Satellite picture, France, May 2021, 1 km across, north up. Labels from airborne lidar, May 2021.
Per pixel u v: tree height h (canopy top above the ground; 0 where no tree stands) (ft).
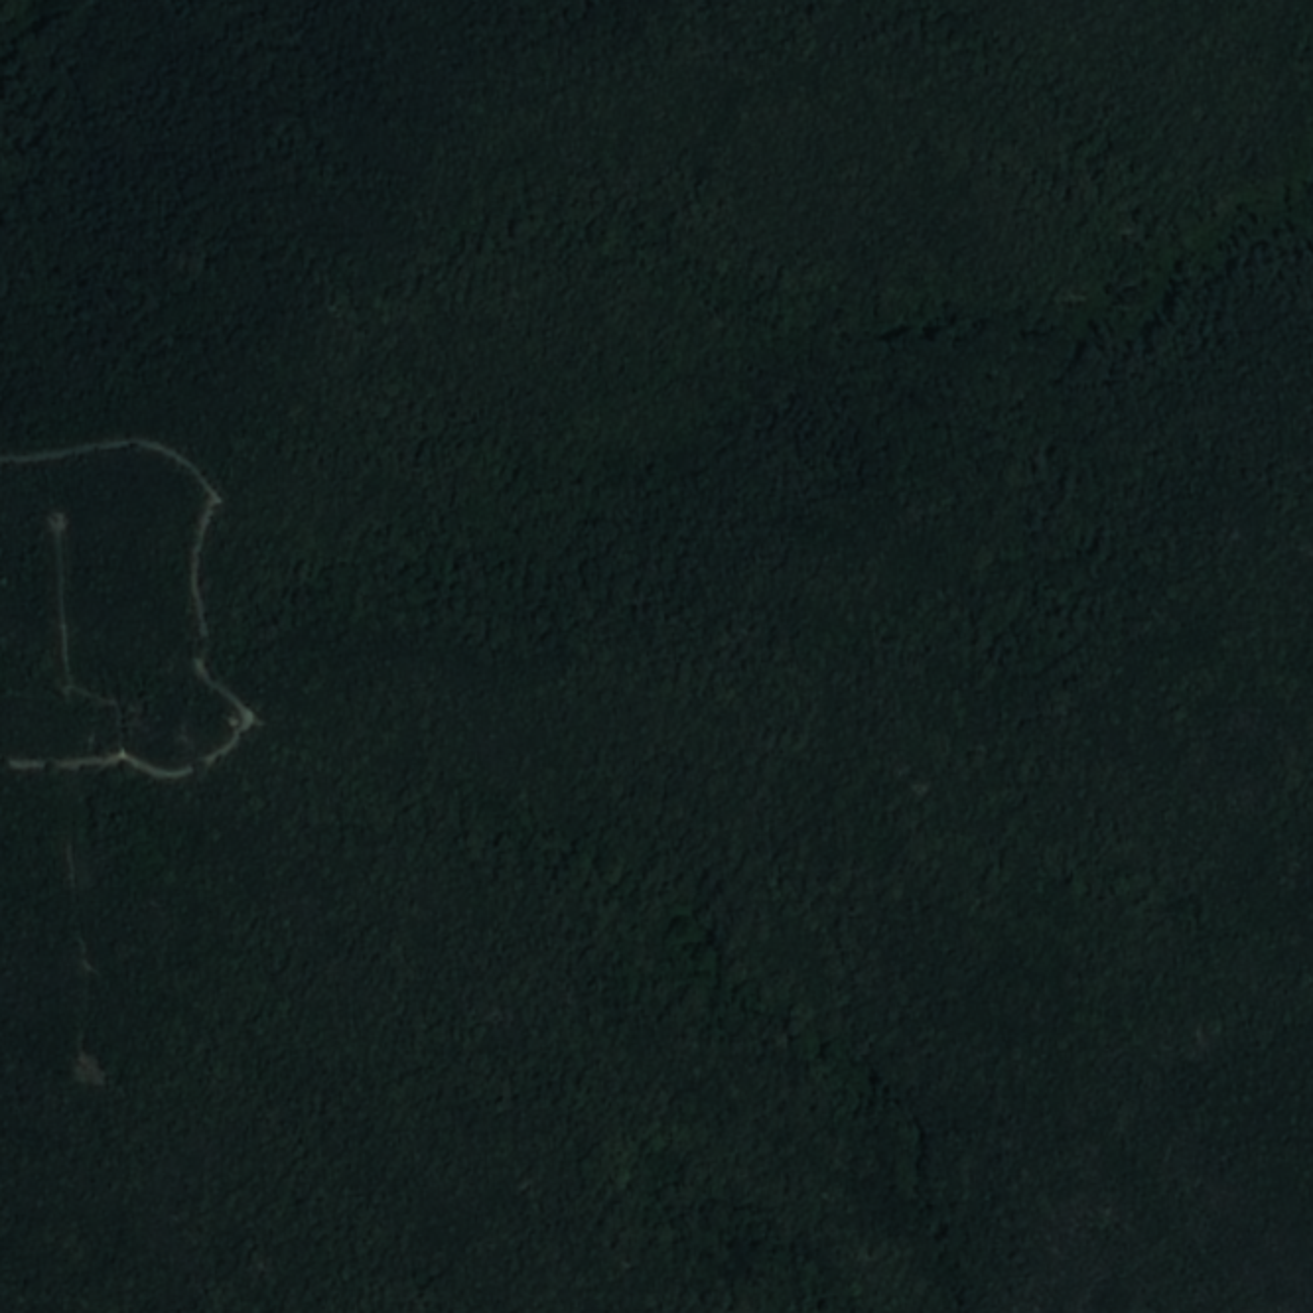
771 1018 45
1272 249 55
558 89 23
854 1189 40
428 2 21
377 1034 31
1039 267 28
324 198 20
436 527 48
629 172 41
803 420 28
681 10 39
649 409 32
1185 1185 38
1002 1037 19
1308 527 21
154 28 41
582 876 41
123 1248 31
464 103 19
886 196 39
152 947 26
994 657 47
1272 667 30
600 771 44
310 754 25
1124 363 39
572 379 26
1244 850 22
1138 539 30
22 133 50
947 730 18
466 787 44
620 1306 25
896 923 41
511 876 33
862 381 52
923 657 27
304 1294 28
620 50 29
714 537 34
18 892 26
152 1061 28
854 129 36
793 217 24
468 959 27
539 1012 29
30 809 21
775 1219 40
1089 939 31
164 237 33
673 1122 40
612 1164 47
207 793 21
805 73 23
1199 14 28
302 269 18
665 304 31
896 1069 36
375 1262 37
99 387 25
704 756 32
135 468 17
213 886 26
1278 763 35
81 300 35
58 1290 27
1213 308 48
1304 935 26
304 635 21
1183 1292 21
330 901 20
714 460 34
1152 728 18
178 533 18
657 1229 42
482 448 42
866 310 60
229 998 18
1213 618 28
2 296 30
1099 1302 20
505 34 26
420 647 31
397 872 22
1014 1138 30
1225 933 25
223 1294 33
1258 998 25
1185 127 25
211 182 45
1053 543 45
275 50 53
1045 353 63
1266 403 23
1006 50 48
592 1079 30
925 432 54
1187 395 40
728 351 38
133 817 30
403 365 21
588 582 52
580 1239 24
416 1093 28
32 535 18
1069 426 66
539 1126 23
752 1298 46
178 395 22
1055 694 34
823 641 33
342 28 25
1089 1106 35
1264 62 43
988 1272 29
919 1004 37
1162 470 28
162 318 40
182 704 22
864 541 29
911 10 36
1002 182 25
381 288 21
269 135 36
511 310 36
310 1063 21
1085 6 33
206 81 32
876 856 25
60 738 19
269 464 20
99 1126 24
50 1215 23
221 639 27
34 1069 17
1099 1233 23
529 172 40
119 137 52
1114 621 37
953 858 23
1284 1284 18
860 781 34
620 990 43
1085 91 31
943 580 29
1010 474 46
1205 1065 28
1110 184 50
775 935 36
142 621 26
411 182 23
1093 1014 31
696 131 29
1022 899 25
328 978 36
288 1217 27
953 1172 31
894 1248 29
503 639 37
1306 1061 29
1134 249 44
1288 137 41
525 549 36
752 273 43
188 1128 29
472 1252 23
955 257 42
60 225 61
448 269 33
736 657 38
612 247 43
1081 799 33
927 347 66
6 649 21
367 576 40
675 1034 34
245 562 37
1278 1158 22
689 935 40
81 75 46
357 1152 29
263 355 36
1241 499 21
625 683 29
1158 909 32
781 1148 35
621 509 48
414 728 19
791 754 28
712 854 42
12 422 29
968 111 29
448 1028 24
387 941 23
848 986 35
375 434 36
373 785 22
